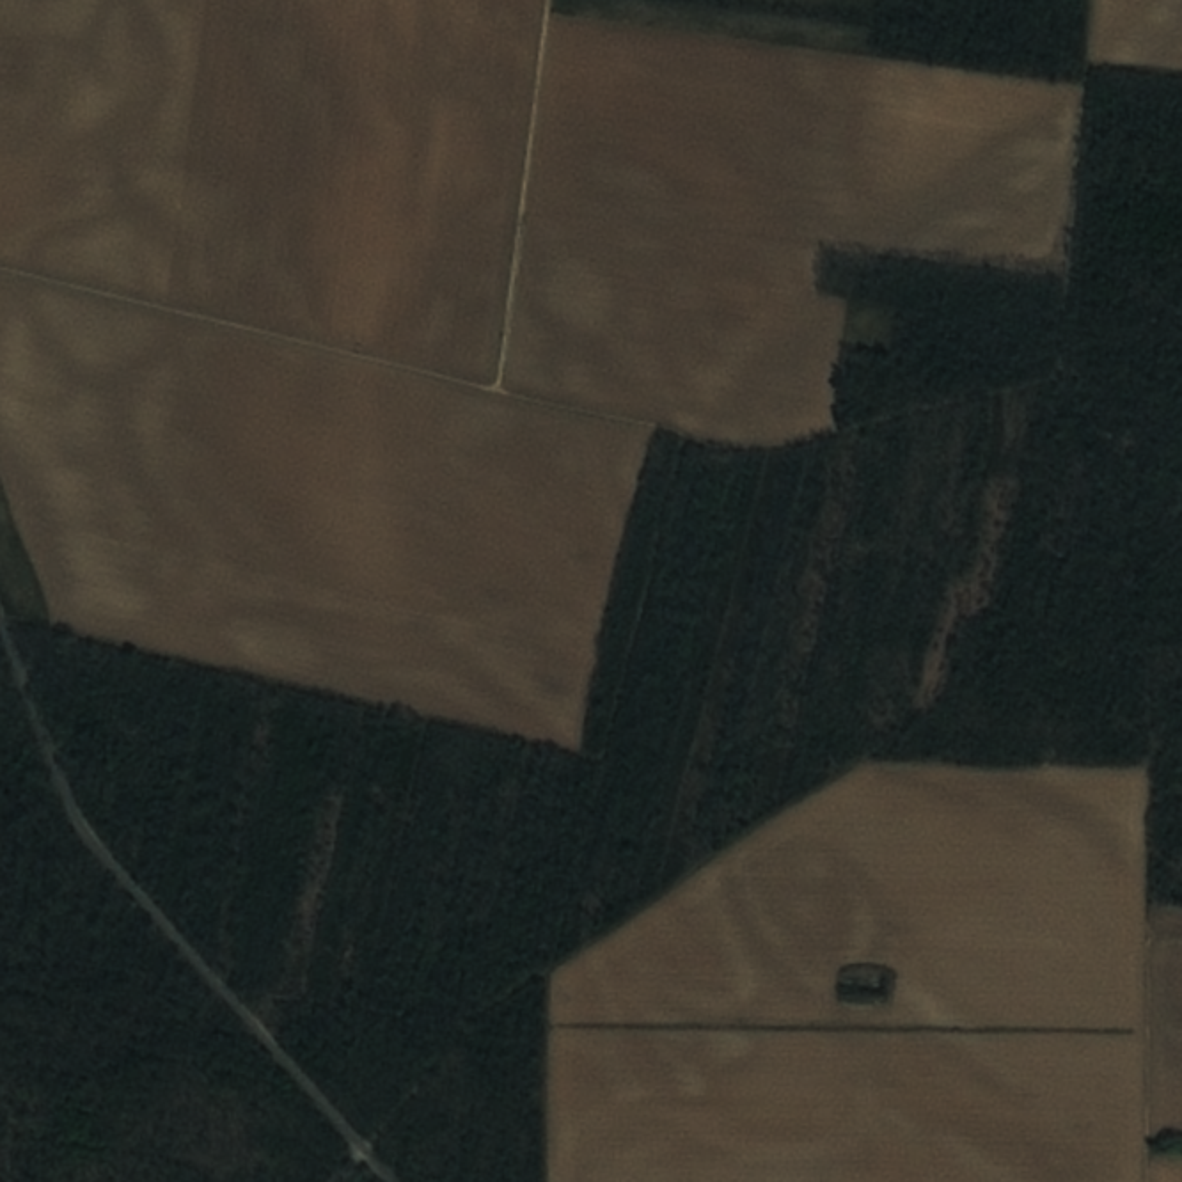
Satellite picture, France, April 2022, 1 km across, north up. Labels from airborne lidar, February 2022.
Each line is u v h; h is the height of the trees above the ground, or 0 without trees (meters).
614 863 12
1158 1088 0
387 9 0
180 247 0
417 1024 13
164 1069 11
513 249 0
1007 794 0
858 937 0
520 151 0
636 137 0
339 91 0
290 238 0
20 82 0
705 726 0
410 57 0
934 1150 0
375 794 10
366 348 0
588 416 0
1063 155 0
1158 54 0
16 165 0
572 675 0
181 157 0
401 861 7
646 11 0
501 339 0
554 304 0
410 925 13
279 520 0
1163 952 0
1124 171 11
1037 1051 0
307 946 11
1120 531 12
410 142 0
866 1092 0
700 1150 0
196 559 0
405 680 0
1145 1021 0
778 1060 0
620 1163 0
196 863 8
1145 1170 0
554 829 14
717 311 0
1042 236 0
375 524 0
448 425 0
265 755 11
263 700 12
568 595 0
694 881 0
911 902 0
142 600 0
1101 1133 0
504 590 0
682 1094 0
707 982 0
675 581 13
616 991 0
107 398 0
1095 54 0
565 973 0
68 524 0
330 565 0
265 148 0
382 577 0
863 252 12
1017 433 0
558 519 0
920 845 0
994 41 10
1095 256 7
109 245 0
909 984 0
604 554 0
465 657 0
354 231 0
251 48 0
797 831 0
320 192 0
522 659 0
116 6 0
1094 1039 0
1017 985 0
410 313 0
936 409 8
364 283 0
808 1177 0
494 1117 10
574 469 0
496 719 0
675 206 0
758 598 16
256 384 0
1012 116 0
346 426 0
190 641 0
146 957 6
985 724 9
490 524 0
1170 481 9
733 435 0
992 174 0
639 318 0
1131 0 0
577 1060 0
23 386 0
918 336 14
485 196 0
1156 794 8
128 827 14
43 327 0
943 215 0
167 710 13
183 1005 16
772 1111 0
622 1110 0
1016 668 13
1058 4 12
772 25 0
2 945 11
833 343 0
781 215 0
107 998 10
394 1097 12
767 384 0
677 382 0
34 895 13
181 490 0
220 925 7
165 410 0
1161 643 12
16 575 0
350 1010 15
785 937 0
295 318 0
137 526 0
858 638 8
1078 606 13
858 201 0
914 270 15
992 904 0
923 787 0
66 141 0
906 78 0
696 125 0
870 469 7
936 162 0
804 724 9
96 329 0
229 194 0
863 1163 0
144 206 0
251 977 8
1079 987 0
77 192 0
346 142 0
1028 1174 0
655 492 10
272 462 0
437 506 0
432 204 0
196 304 0
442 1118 7
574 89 0
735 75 0
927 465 11
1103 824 0
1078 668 7
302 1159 11
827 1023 0
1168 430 12
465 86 0
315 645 0
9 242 0
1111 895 0
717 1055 0
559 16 0
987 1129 0
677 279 0
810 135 0
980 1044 0
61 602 0
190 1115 10
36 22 0
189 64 0
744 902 0
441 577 0
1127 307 11
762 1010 0
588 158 0
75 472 0
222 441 0
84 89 0
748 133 0
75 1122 12
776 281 0
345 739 6
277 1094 18
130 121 0
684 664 17
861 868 0
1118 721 9
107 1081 11
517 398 0
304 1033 14
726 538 12
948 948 0
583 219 0
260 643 0
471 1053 8
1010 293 19
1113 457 9
